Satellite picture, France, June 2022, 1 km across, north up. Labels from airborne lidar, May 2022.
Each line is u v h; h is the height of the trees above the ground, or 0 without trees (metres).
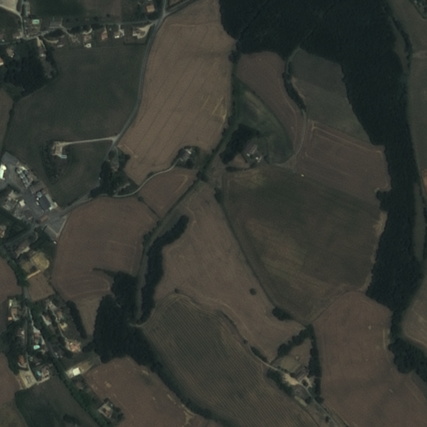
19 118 0
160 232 0
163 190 0
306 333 13
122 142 0
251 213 0
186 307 0
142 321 11
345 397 0
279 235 0
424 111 0
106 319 15
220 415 0
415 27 0
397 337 10
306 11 16
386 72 20
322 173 0
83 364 0
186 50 0
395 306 21
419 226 0
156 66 0
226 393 0
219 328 0
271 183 0
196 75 0
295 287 0
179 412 0
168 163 0
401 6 0
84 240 0
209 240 0
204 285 0
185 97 0
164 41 0
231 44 0
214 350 0
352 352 0
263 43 12
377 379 0
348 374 0
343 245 0
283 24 19
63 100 0
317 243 0
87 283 0
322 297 0
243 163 0
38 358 10
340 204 0
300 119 0
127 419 0
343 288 0
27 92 13
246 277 0
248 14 23
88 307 0
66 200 0
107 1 0
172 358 0
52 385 0
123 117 0
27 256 7
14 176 0
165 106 0
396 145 19
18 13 0
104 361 17
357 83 17
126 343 17
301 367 0
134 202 0
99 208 0
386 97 21
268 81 0
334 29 16
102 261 0
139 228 0
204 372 0
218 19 0
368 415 0
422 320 0
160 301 0
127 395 0
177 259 0
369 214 0
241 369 0
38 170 0
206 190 0
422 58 0
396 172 18
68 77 0
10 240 14
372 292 13
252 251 0
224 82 0
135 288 10
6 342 8
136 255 0
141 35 0
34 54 7
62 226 0
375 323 0
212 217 0
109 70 0
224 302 0
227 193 0
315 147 0
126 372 0
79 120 0
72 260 0
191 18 0
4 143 0
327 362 0
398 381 0
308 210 0
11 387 0
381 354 0
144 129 0
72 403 0
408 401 0
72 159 0
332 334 0
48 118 0
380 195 16
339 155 0
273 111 0
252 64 0
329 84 0
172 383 20
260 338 0
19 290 0
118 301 12
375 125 12
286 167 0
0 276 0
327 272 0
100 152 0
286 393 7
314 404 0
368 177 0
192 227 0
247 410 0
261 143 0
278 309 14
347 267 0
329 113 0
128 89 0
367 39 17
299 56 0
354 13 17
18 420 0
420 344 0
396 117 21
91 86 0
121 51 0
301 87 0
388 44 19
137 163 0
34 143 0
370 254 0
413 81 0
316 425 0
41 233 6
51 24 0
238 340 0
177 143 0
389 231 18
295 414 0
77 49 0
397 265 21
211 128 0
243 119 0
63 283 0
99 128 0
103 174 14
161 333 0
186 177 0
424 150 0
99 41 0
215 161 0
